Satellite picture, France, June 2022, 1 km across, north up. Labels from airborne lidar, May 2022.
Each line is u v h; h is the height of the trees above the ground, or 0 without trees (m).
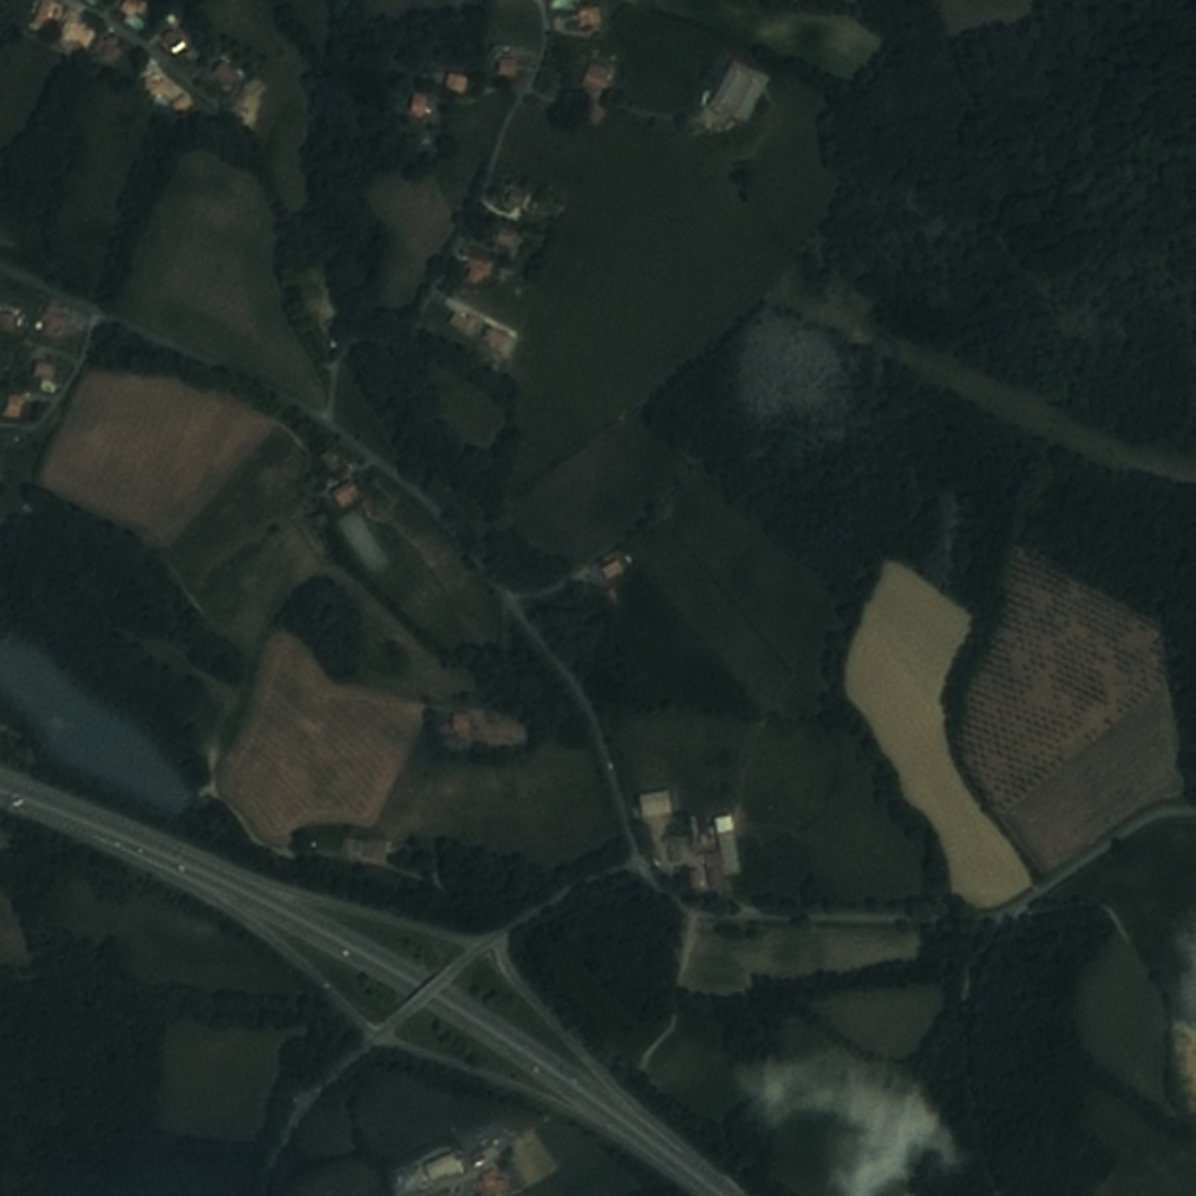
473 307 0
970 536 17
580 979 0
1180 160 11
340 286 22
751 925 8
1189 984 0
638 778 0
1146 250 11
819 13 14
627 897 19
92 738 0
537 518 0
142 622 14
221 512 0
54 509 22
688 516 0
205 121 17
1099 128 21
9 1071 19
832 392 13
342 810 0
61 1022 17
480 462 25
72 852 9
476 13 21
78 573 21
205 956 0
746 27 0
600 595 12
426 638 8
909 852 0
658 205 0
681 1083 0
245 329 0
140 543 19
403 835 0
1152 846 0
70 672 14
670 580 0
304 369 0
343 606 24
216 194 0
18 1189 24
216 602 0
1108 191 8
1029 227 17
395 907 13
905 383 17
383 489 0
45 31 15
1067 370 17
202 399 0
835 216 17
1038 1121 19
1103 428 13
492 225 19
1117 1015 0
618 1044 0
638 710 8
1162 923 0
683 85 0
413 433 23
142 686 23
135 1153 20
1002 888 0
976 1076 23
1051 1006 16
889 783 13
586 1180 0
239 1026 13
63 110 21
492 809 0
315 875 17
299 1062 16
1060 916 10
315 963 0
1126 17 24
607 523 0
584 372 0
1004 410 0
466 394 0
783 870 0
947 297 19
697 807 0
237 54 10
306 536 0
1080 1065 15
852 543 21
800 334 11
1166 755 0
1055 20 21
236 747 0
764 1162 19
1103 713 0
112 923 0
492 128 0
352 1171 0
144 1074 19
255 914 0
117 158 0
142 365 29
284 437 0
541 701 27
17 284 9
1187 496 17
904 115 30
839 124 25
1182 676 19
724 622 0
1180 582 25
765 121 0
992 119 23
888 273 19
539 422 0
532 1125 0
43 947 19
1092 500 22
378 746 0
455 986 0
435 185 0
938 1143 13
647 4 0
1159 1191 0
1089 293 15
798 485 25
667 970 26
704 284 0
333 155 22
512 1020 0
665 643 0
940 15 17
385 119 22
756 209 0
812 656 0
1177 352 22
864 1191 0
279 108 0
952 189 12
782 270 0
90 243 0
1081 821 0
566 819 0
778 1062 19
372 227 14
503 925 11
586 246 0
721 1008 18
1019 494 29
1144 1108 14
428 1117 0
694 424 19
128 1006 17
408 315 16
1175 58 23
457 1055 10
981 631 17
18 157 18
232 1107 0
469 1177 0
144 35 10
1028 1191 20
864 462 16
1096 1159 19
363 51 25
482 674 18
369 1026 0
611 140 0
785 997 17
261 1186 16
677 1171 0
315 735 0
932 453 19
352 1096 8
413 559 0
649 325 0
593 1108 0
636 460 0
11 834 11
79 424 0
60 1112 17
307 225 20
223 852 12
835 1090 0
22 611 22
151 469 0
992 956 23
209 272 0
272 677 0
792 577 0
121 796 15
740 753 0
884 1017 0
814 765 0
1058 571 14
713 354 15
